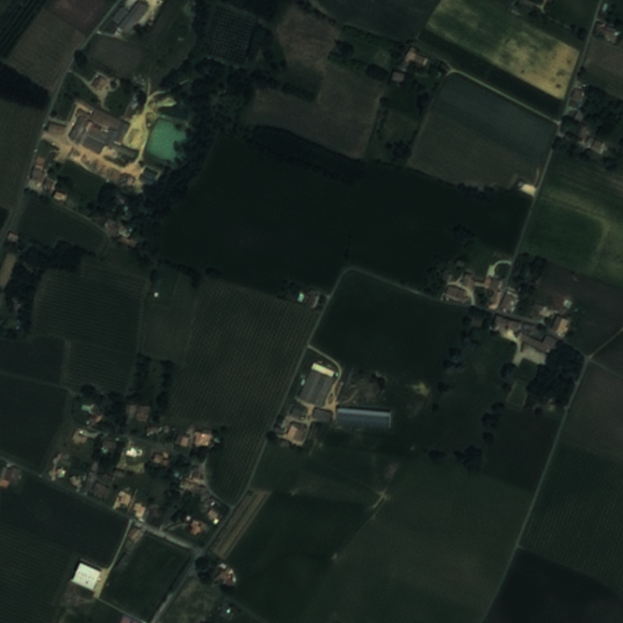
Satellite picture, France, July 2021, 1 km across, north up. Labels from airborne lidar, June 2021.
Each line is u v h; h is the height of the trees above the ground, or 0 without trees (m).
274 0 22
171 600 0
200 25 11
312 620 0
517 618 0
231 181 0
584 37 18
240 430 0
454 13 0
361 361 0
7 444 0
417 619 0
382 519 0
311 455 0
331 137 0
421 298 0
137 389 6
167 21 0
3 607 0
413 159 0
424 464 0
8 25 6
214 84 16
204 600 0
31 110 0
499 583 0
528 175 0
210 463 0
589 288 0
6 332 7
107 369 0
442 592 0
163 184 22
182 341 0
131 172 0
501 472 0
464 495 0
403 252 0
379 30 0
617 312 0
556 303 0
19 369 0
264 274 0
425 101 23
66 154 0
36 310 0
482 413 0
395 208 0
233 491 0
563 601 0
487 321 11
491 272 0
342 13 0
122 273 0
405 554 0
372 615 0
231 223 0
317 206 0
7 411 0
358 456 0
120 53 0
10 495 0
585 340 0
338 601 0
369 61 0
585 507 0
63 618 0
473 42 0
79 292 0
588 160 19
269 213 0
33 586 0
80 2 0
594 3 0
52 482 0
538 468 0
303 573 0
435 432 0
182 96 13
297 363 0
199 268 0
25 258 8
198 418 0
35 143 0
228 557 0
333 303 0
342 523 0
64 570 0
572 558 0
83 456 0
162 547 0
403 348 0
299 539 0
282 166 0
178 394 0
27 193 8
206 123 8
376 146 0
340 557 0
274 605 0
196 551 0
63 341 0
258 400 0
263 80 29
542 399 8
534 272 7
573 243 0
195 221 0
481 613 0
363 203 0
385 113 7
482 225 0
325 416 0
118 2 0
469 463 26
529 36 0
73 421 0
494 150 0
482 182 0
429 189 0
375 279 0
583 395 0
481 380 0
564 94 0
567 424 0
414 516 0
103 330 0
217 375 0
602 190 0
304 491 0
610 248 0
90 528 0
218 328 0
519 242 0
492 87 0
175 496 8
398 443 0
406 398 0
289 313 0
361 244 0
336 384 0
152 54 0
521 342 0
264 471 0
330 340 0
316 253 0
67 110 0
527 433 0
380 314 0
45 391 0
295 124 0
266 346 0
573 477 0
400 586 0
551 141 0
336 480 0
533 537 0
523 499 0
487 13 0
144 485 0
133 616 0
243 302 0
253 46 17
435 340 0
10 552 0
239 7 9
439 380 0
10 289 11
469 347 18
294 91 7
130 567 0
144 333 0
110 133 0
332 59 7
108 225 0
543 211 0
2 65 31
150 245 7
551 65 0
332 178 16
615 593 0
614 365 0
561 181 0
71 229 0
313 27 0
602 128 15
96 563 0
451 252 0
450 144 0
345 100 0
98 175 0
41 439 0
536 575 0
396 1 0
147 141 0
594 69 0
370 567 0
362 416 0
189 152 22
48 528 0
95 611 0
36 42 0
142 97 17
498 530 0
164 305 0
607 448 0
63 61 0
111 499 0
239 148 0
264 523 0
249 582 0
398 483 0
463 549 0
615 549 0
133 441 0
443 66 8
